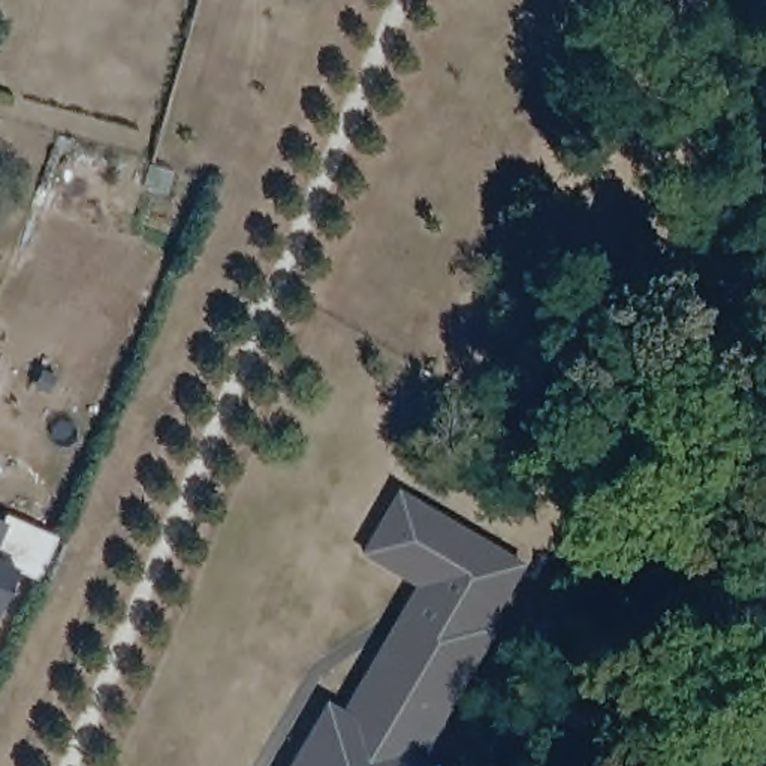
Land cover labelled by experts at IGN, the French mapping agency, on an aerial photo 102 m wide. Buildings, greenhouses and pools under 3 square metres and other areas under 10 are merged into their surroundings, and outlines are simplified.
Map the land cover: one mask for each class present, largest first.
<instances>
[{"label":"herbaceous vegetation","instance_id":"1","mask_svg":"<svg viewBox=\"0 0 766 766\"><path fill-rule=\"evenodd\" d=\"M580 0H425L422 12H413L398 27L410 48L398 60L386 57L380 69L398 84L401 105L392 114H386L374 99H368L362 111L380 129L383 150L365 153L344 132H335V108L344 105V96L353 87H362L365 69L362 57L371 48V27L389 6V0H197L186 54L159 132L156 156L144 159L156 99L162 93L171 45L186 0H0V150L9 147L15 156L27 162L24 186H18L15 192H0V257L6 248L18 245L27 227L36 192L48 180V165H42V153L54 156L60 138L78 144L84 153L96 159H105V168L114 171L120 168V159H138L141 183H147L153 168H168V159L174 156L189 159L194 168L215 165L218 174V209L212 227L192 269L183 272L174 287V299L165 311L162 329L147 350L144 377L120 416L114 449L99 461L75 533L57 536L48 563L54 566L48 601L33 619L12 673L0 685V766H51L48 757L57 748L66 754L69 739H78L84 727H75L72 721L84 709L75 700H66L57 688H51V664L66 661L72 652V622L93 625L105 643L120 622H132L135 604L123 598L132 595L135 583L141 580V557L159 539H168V524L174 518V476L192 461L186 455V443L192 437H206L203 425L189 431L180 422L186 416L183 407L194 404L206 392V389L200 380L186 374L192 362H215V353L221 350V344L212 335L200 332L203 323H224L233 311L242 308V302L230 296L233 284L248 281L257 272L293 269V218L284 215L275 206V200L284 197L293 186L305 189L311 177L326 174V159L332 150H341L362 171V192L344 203L347 230L341 236H329L317 221L308 230V236L317 239V245L323 248L329 269L308 287L317 302L314 314L308 320H296L287 326L302 356L320 365L323 383L329 386V398L305 407L296 404L287 392H281L275 401H260L254 410L257 419H272L284 413L293 422H299L305 434V452L299 461L290 464H263L260 455L233 431L224 428L218 437L242 464V476L236 482H224L215 488V494L227 506L224 518L197 527V536L206 542L203 563L192 566L174 551L165 560L192 586L189 601L174 604L168 592L156 589L150 601L165 613L171 640L162 649L138 631L132 643L135 649H141L144 664L153 667V676L147 688H138L120 673L114 685L117 691H123L129 712H102L96 727L114 739L117 760L123 766H254L272 730L278 727L284 709L290 706L296 688L302 685L308 667L320 661L326 652L356 637H368L362 655L341 658L326 673V682L311 691L293 730L281 742L272 766H299L296 754L314 730L317 718L323 715L326 703H350L377 652L383 649L392 625L398 622L404 604L413 595V583H401L395 572L383 569L365 554V548L371 545V536L377 533L389 506L395 503L401 485L413 488L416 476L395 458L392 443L428 425L434 410L452 395H461L473 368L488 359L485 341L476 335V317H488V311L473 299L476 287L470 272H476L491 254H497L503 257V272L515 263L518 254L506 239H500L488 227L497 221V212L503 206L530 203L533 194L551 180L542 165L524 159L536 135H542L548 144L554 138H566L569 126L563 114H551L548 102L542 99L545 69L551 63V36L563 27L566 15ZM24 93H39L60 102L120 114L135 120L138 126L123 129L99 123L93 117L33 105L24 102ZM36 703L54 706L69 721L66 739H45L33 730L30 715ZM733 21H739L748 33H766V0H727ZM78 224L48 218V230L36 239L33 260L18 275L0 266V464L6 458L30 461V467L39 470L42 479L57 491L45 512L48 530L54 533L72 500V491L78 488V479L90 467L93 446L105 422L114 416L117 392L126 380V371L135 362L138 344L159 305L168 272L162 269V248L132 233V212H105L102 224H93V209H78ZM754 275L739 269L733 278H721L709 266H703V272L697 275V287L700 299L709 308L724 311L733 320H742L748 311H757V299L751 296ZM569 569V563L560 557L551 560V548L533 551L530 563V569L515 586L512 601L494 613L488 652L470 670L473 691L482 685L503 682L509 676L512 667L500 661V646L512 637L539 634L563 652L572 643H595L604 655H610L628 649V640L643 637L655 622H661L664 610H682L694 601L697 583L682 572H670L661 563L643 566L628 583L595 575L583 577L575 586L554 589L551 580ZM598 703L580 700L572 706L563 739L554 742L545 766H598ZM443 736L449 739V760L455 766H536L521 736L500 733L491 718H464V712L452 706V715L443 727Z\"/></svg>","mask_w":766,"mask_h":766},{"label":"deciduous trees","instance_id":"2","mask_svg":"<svg viewBox=\"0 0 766 766\"><path fill-rule=\"evenodd\" d=\"M542 99L548 102L551 114H563L569 126L566 138H554L548 144L563 162V168H569L572 174H583L586 180L610 177V156L622 153L625 144H643L652 150V156L646 159L649 177H640V183H649L655 218H661V224L667 227L664 239L673 242L664 254L673 275H652L643 293H634L628 284L613 293L607 287V254H566L560 263V275L548 263H536L524 275L527 293L539 299L536 317L545 326L542 353L563 374V380H557L545 392V404L536 410V422H521V431H527L539 443L530 455H521L503 437L509 395L515 392V374L497 368L488 359L473 368L461 395H452L434 410L428 425L392 443L395 458L416 476L413 488L437 500L440 494L464 491L476 497V503L491 518L503 521L530 518L539 506L554 503L560 509V518L548 539L551 548V560L560 557L569 563V569L551 580L554 589L575 586L583 577L595 575L628 583L643 566L661 563L670 572H682L697 583L694 601L682 610H664L661 622H655L643 637L628 640V649L610 655H604L595 643H572L563 652L539 634L512 637L500 646V661L512 667L509 676L503 682L482 685L473 691L464 703V718H491L500 733L521 736L536 766H545L554 742L563 739L572 706L580 700L598 703V766H766V33H748L739 21H733L727 0H715V9L700 18V24L679 27L673 21L667 0H580L566 15L563 27L551 36V63L545 69ZM703 266H709L721 278H733L739 269L754 275L751 296L757 299V311H748L742 320H733L724 311L709 308L700 299L697 287V275L703 272ZM368 99H374L386 114H392L401 105L398 84L380 69H365L362 87ZM344 132L365 153L383 150L380 129L362 111L347 114ZM27 162L15 156L9 147L0 150V192H15L18 186H24ZM362 171L341 150H332L326 159V174L311 177L305 189L293 186L284 197L275 200V206L284 215L293 218V269L257 272L248 281L233 284L230 296L242 302V308L233 311L224 323H203L200 332L212 335L221 344V350L215 353V362H192L186 374L200 380L206 389L224 380H236L239 353H245L242 341H260L254 356L269 368V374L251 386H242V392L236 395L242 404H248L251 413L233 431L260 455L263 464H290L299 461L305 452V434L299 422H293L284 413L272 419H257L254 410L260 401H275L281 392H287L296 404L305 407L329 398V386L323 383L320 365L302 356L287 326L296 320H308L314 314L317 302L308 287L329 269L323 248L317 245V239L308 236V230L317 221L329 236H341L347 230L344 203L362 192ZM563 227H572L566 189H560L551 180L533 194L530 203L503 206L497 212V221L488 227L500 239H506L518 254L539 233L554 236ZM476 287L473 299L488 311V317L500 323L509 314L503 272V257L497 254H491L476 272H470ZM212 398L206 392L194 404L183 407L186 416L180 422L189 431L203 425L209 422ZM186 455L192 461L203 458L209 470L203 479L194 476L186 488V503L192 509L189 518H174L168 524V539L174 551L192 566L203 563L206 542L197 536V527L224 518L227 506L215 494V488L224 482H236L242 476V464L218 437H192L186 443ZM156 589L168 592L174 604L189 601L192 586L165 560L153 563ZM138 631L162 649L171 640L165 613L150 601L135 604L132 622ZM72 652L66 661L51 664V688H57L66 700H75L84 709V685L105 667V643L93 625L72 622ZM120 673L138 688H147L153 676V667L144 664L141 649H135L132 643L117 646ZM102 712H129L123 691H117L114 685H105L99 691ZM33 730L45 739H66L69 721L54 706L36 703L30 715ZM81 766H123L117 760L114 739L96 727H84L78 739Z\"/></svg>","mask_w":766,"mask_h":766},{"label":"pervious surface","instance_id":"3","mask_svg":"<svg viewBox=\"0 0 766 766\"><path fill-rule=\"evenodd\" d=\"M425 0H389V6L371 27V48L362 57L365 69H380L386 57L398 60L410 48L398 27L413 12H422ZM673 21L679 27L700 24V18L715 9V0H667ZM652 156V150L643 144H625L622 153L610 156V177L586 180L583 174H572L569 168H563V162L548 144L542 135H536L524 159L542 165L551 180L560 189H566L572 227H563L554 236L539 233L518 254L515 263L503 272L509 314L500 323L488 317H476V335L485 341L488 359L497 368L515 374V392L509 395L503 437L521 455H530L539 443L527 431H521V422H536V410L545 404V392L557 380H563V374L542 353L545 326L536 317L539 299L527 293L524 275L536 263H548L560 275V263L566 254H607V287L613 293L628 284L634 293H643L652 275H673L664 254L673 242L664 239L667 227L661 224V218H655L649 183H640V177H649L646 159ZM260 341H242L245 353H239L236 380H224L206 389V392L212 398L209 422L203 425L206 437H218L224 428L233 431L251 413L248 404H242L236 395L242 392V386H251L269 374V368L254 356ZM57 491L42 479L39 470L30 467V461L6 458L0 464V518H18L36 530H48L45 512ZM209 470L203 458L192 461L174 476V518H189L192 509L186 503V488L194 476L203 479ZM464 515L467 521L479 524L482 530L515 545L518 557L530 563L533 551L551 548L548 539L560 518V509L554 503L539 506L530 518L503 521L491 518L476 503V497L464 491L440 494L437 500ZM174 551L168 539H159L141 557V580L135 583L132 595L123 598L135 604L150 601L156 589L153 563L165 560ZM138 631L132 622H120L105 643V667L84 685V709L72 721L75 727H96L102 712L99 691L105 685H114L120 673L117 646L132 643ZM51 766H81L78 739H69L66 754L57 748L48 757Z\"/></svg>","mask_w":766,"mask_h":766},{"label":"building","instance_id":"4","mask_svg":"<svg viewBox=\"0 0 766 766\"><path fill-rule=\"evenodd\" d=\"M365 554L383 569L395 572L401 583H413V595L404 604L398 622L392 625L383 649L377 652L350 703H326L323 715L317 718L314 730L296 754L299 766H455L449 760V739L443 736V727L452 715V706L464 712V703L473 691L470 670L488 652L494 613L512 601L515 586L530 569V563L518 557L515 545L482 530L479 524L467 521L464 515L437 500L413 488L401 485L395 503L389 506L377 533L371 536V545L365 548ZM6 518H0V622H6L9 601L21 598L27 577L3 551Z\"/></svg>","mask_w":766,"mask_h":766},{"label":"impervious surface","instance_id":"5","mask_svg":"<svg viewBox=\"0 0 766 766\"><path fill-rule=\"evenodd\" d=\"M368 99L362 87H353L344 96V105L335 108V132H344L347 114L362 111ZM42 165H48V180L36 192L27 227L18 245L6 248L0 257V266L18 275L33 260L36 239L48 230V218L78 224V209H93V224H102L105 212H132L141 194V183L138 159H120V168L114 171L105 168V159H96L84 153L78 144L60 138L54 156L42 153ZM57 536L54 533L48 530H36L18 518H6L3 551L27 577H39L48 563ZM368 637H356L326 652L320 661L308 667L302 685L296 688L290 706L284 709L278 727L272 730L254 766H272L281 742L293 730L311 691L326 682V673L341 658L362 655Z\"/></svg>","mask_w":766,"mask_h":766},{"label":"brushwood","instance_id":"6","mask_svg":"<svg viewBox=\"0 0 766 766\"><path fill-rule=\"evenodd\" d=\"M197 0H186L171 45L162 93L156 99L144 159L156 156L159 132L186 54ZM24 102L33 105L93 117L99 123L123 129L138 126L135 120L120 114L60 102L39 93H24ZM218 174L206 183L197 209L189 218V230L183 233V251L174 269L168 272L159 305L138 344L135 362L126 371V380L117 392L114 416L105 422L93 446L90 467L78 479V488L72 491V500L54 533L57 536L75 533L99 461L114 449L120 416L144 377L147 350L162 329L165 311L174 299V287L183 272L192 269L212 227L218 209ZM54 566L48 563L39 577H27L21 598L9 601L6 622H0V685L12 673L33 619L48 601Z\"/></svg>","mask_w":766,"mask_h":766},{"label":"agricultural land","instance_id":"7","mask_svg":"<svg viewBox=\"0 0 766 766\"><path fill-rule=\"evenodd\" d=\"M218 174L215 165L194 168L189 159L174 156L168 159V168H153L147 183H141V194L132 212V233L162 248V269L168 272L174 269L183 251V233L189 230V218L197 209L206 183Z\"/></svg>","mask_w":766,"mask_h":766}]
</instances>
